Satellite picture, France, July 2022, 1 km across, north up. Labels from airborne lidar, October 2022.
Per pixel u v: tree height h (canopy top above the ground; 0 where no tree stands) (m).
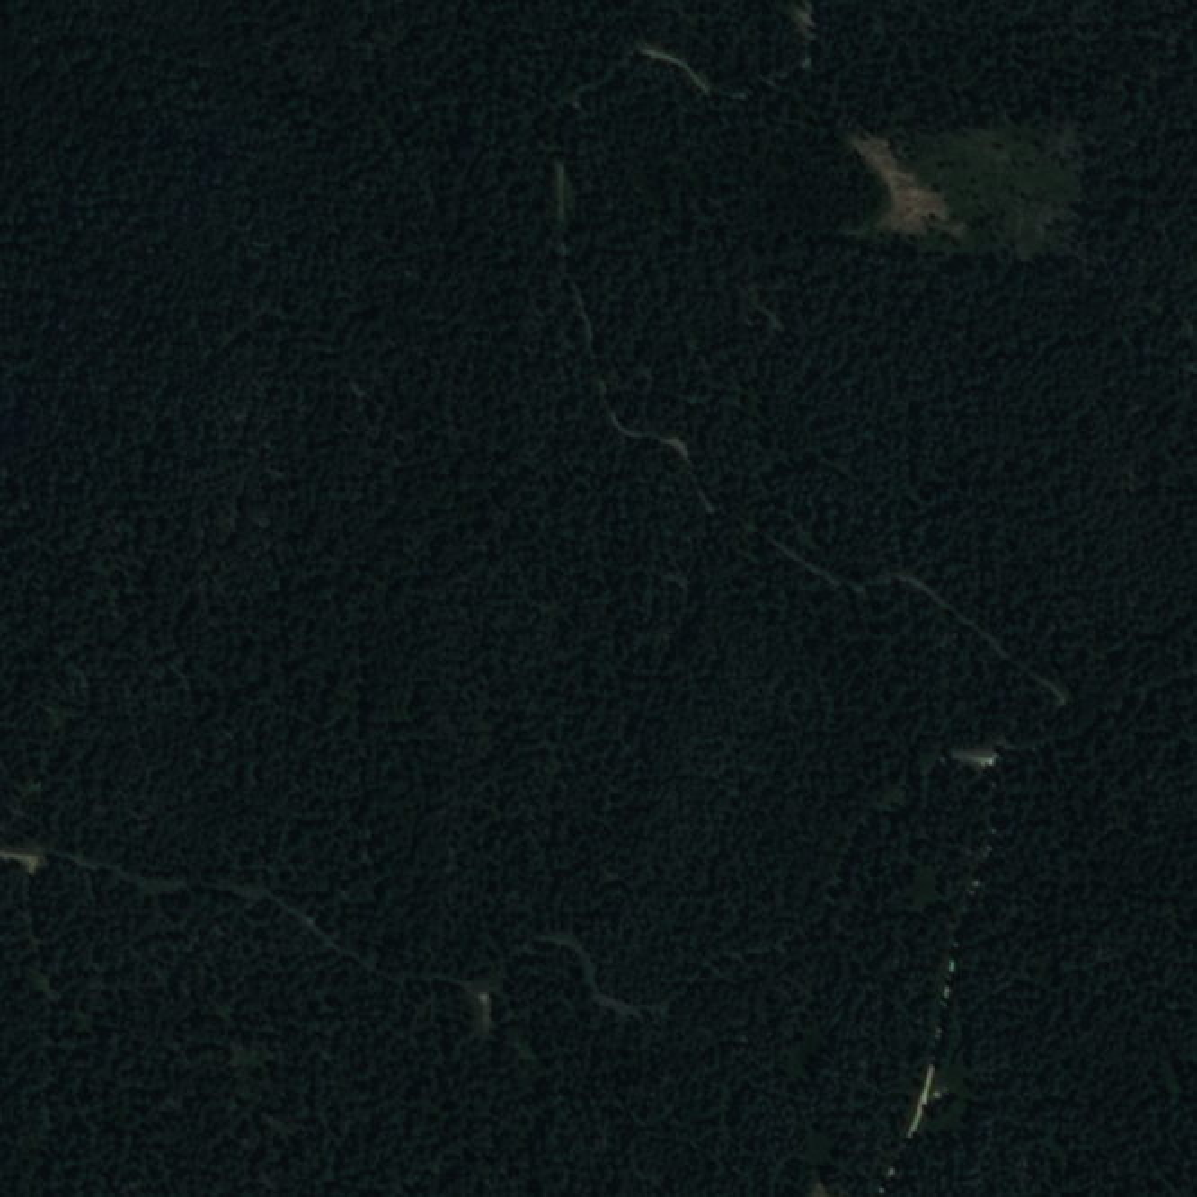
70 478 19
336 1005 21
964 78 19
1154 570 28
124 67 35
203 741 18
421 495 18
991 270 15
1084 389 30
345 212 22
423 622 31
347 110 11
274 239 15
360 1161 21
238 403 18
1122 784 10
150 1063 25
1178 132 14
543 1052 26
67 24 30
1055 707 11
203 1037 23
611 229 22
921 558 31
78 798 26
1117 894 7
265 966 20
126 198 27
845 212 12
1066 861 33
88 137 26
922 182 0
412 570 30
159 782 16
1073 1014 28
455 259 23
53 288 26
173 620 23
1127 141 20
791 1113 22
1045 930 16
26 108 31
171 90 33
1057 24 19
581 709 30
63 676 13
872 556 25
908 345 20
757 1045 19
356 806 19
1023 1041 23
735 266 31
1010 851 35
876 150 0
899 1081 31
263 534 19
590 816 16
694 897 32
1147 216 30
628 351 28
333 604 32
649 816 25
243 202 21
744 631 18
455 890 20
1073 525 11
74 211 25
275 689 19
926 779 21
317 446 25
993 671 16
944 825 17
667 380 23
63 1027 24
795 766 20
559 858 22
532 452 15
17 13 33
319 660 25
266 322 7
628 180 14
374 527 17
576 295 28
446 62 31
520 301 28
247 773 20
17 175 31
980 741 21
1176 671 18
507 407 19
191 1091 27
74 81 32
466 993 20
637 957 16
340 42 14
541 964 27
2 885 16
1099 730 12
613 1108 10
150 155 29
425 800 23
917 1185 29
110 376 29
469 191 14
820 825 20
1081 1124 31
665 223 15
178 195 24
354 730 19
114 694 21
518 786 18
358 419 11
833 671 22
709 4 11
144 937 21
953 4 7
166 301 21
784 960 25
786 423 13
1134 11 20
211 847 18
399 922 26
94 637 8
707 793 12
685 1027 24
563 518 33
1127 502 24
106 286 23
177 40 25
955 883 23
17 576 27
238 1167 21
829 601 24
